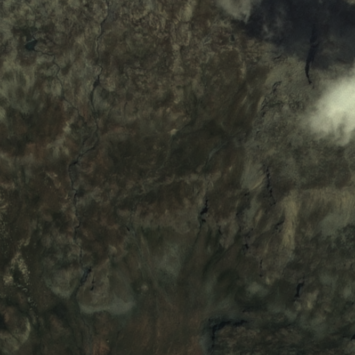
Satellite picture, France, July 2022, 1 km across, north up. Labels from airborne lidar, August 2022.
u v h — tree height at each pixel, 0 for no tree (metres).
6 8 0
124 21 0
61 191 0
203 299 0
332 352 0
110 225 0
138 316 0
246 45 0
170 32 0
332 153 0
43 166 0
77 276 0
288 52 0
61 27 0
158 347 0
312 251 0
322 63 0
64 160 0
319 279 0
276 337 0
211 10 0
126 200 0
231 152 0
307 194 0
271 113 0
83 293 0
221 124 0
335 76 0
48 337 0
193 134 0
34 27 0
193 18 0
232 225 0
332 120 0
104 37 0
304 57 0
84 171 0
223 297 0
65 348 0
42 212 0
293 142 0
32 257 0
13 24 0
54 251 0
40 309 0
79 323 0
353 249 0
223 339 0
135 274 0
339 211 0
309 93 0
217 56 0
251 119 0
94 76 0
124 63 0
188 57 0
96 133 0
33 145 0
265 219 0
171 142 0
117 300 0
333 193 0
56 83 0
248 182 0
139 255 0
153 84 0
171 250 0
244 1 0
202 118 0
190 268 0
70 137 0
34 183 0
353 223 0
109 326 0
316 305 0
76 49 0
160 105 0
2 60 0
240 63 0
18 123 0
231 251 0
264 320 0
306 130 0
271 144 0
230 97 0
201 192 0
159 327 0
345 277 0
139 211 0
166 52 0
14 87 0
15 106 0
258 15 0
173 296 0
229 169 0
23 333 0
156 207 0
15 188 0
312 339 0
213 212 0
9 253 0
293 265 0
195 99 0
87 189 0
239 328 0
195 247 0
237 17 0
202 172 0
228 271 0
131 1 0
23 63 0
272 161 0
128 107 0
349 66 0
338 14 0
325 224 0
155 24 0
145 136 0
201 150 0
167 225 6
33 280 0
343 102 0
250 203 0
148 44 0
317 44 0
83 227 0
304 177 0
